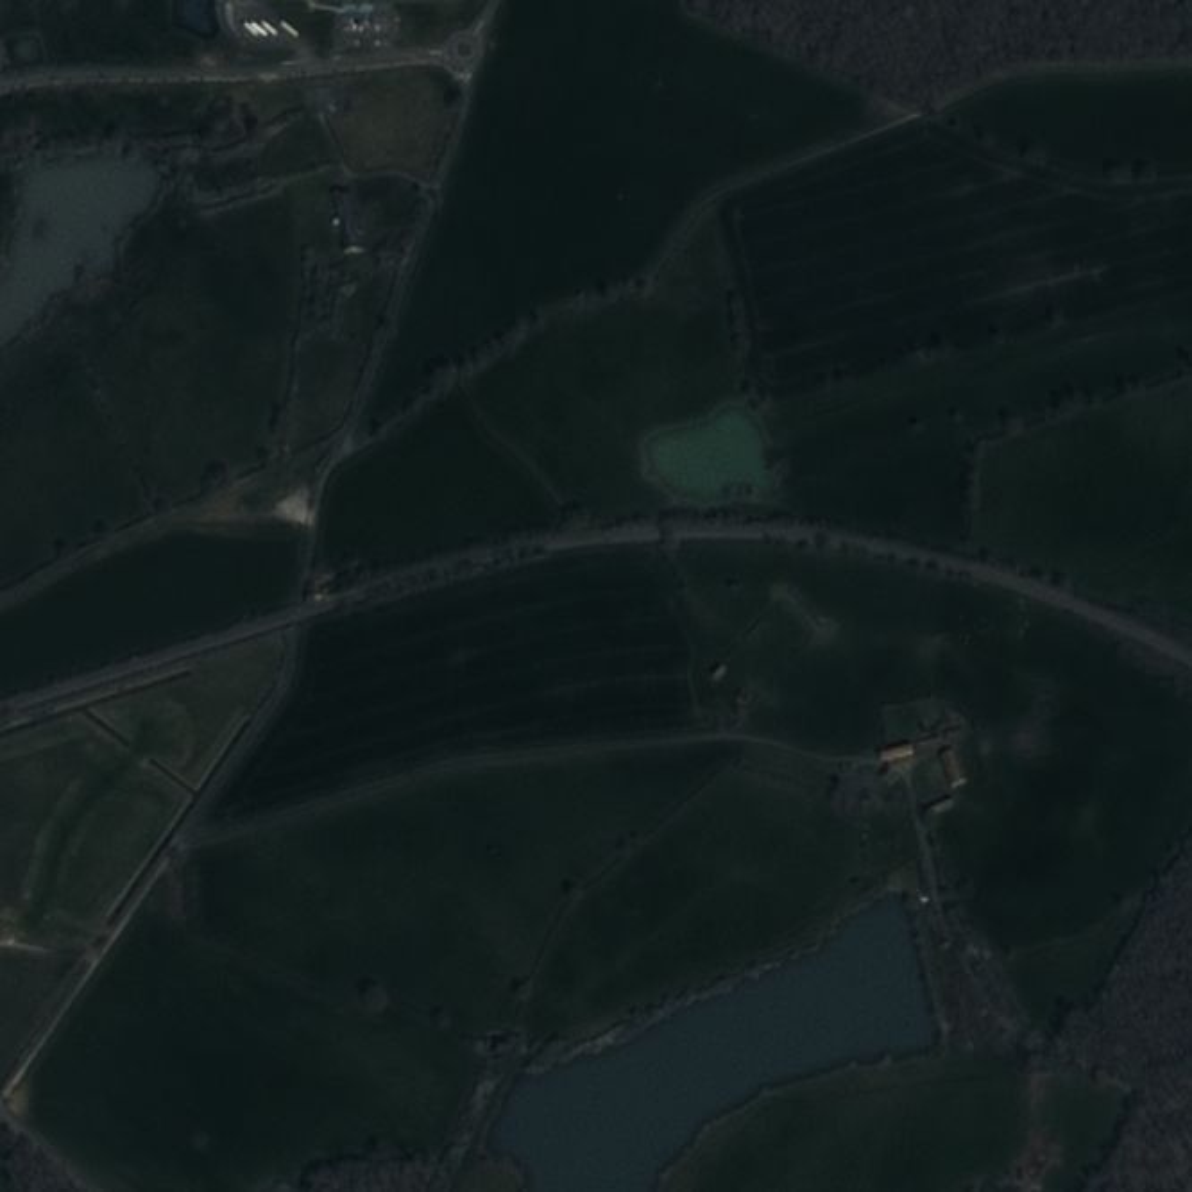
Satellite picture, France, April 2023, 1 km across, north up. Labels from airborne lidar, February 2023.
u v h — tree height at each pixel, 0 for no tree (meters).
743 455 0
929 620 0
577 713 0
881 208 0
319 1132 0
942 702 0
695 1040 0
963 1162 0
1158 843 0
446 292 0
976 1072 0
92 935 0
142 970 0
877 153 0
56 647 0
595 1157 0
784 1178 0
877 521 0
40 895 0
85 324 0
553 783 0
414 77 0
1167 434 0
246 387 0
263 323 0
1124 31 19
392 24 0
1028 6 17
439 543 0
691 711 0
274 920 0
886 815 0
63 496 0
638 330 0
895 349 0
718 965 0
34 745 0
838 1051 0
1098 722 0
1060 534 0
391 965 0
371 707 0
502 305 0
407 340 0
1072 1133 0
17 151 13
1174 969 12
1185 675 16
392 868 0
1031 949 0
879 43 19
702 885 0
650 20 0
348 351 0
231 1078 0
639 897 0
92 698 0
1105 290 0
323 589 7
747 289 0
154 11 0
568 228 0
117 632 0
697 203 0
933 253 0
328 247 0
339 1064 0
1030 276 0
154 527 0
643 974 0
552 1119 0
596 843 0
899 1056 0
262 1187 0
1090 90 0
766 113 0
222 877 0
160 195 0
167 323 0
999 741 0
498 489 0
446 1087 0
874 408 0
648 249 0
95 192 0
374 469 0
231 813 0
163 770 0
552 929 0
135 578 0
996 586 0
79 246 0
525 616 0
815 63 15
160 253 0
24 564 0
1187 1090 20
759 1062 0
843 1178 0
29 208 0
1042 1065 18
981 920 0
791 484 0
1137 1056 19
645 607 0
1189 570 0
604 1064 0
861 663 0
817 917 0
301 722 0
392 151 0
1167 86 0
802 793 0
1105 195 0
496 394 0
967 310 0
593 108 0
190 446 0
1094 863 0
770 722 0
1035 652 0
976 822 0
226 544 0
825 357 0
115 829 0
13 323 0
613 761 0
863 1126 0
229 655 0
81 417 0
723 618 0
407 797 0
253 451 0
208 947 0
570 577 0
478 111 0
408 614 0
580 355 0
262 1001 0
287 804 0
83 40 0
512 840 0
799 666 0
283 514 0
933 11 24
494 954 0
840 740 0
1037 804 0
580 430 0
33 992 0
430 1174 25
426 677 0
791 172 0
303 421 0
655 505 0
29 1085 0
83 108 0
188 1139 0
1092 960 0
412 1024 0
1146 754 0
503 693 0
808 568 0
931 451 0
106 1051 0
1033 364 0
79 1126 0
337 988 0
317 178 0
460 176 0
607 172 0
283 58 0
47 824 0
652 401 0
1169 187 0
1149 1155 17
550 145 0
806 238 0
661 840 0
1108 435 0
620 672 0
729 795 0
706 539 0
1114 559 0
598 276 0
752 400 15
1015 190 0
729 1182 0
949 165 0
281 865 0
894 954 0
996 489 0
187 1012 0
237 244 0
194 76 0
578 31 0
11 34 0
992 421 0
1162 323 0
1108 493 0
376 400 0
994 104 0
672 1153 0
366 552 0
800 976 0
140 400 0
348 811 0
